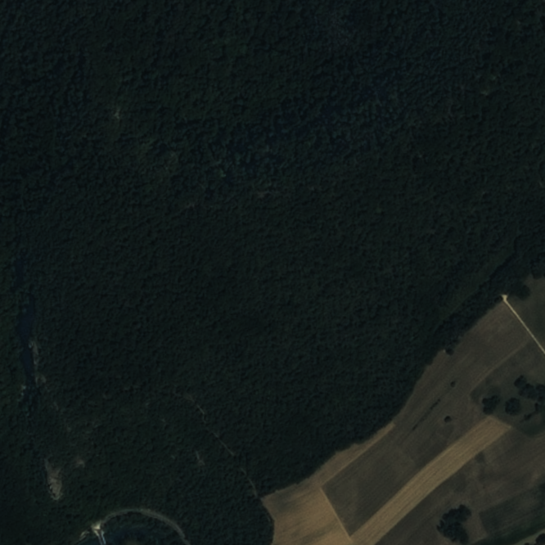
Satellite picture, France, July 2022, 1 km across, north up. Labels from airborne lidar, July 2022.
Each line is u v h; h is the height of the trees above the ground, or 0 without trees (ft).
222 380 41
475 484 0
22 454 33
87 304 58
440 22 29
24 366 23
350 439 57
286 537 0
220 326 78
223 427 43
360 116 102
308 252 34
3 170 77
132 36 97
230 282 71
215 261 59
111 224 56
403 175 38
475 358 0
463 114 56
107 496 55
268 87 103
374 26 103
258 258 57
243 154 103
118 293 54
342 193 52
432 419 0
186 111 59
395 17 100
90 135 41
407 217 58
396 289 57
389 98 102
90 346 71
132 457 59
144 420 52
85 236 51
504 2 74
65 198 56
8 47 71
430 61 58
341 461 0
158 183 39
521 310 0
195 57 100
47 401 46
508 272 75
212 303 64
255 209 49
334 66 73
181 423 40
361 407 55
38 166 25
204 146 110
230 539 43
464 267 71
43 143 26
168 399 41
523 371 0
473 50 54
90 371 70
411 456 0
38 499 65
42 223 65
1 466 74
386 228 67
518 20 84
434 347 88
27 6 59
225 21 81
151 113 111
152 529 29
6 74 72
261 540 48
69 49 85
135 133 90
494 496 0
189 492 40
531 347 0
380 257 47
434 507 0
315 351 64
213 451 42
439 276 72
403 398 74
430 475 0
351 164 72
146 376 63
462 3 69
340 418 18
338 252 64
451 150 73
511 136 53
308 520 0
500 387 0
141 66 80
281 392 68
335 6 69
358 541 0
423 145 84
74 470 43
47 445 45
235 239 52
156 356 58
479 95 76
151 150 61
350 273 70
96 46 82
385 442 0
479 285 0
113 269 58
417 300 70
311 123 102
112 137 66
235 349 44
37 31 74
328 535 0
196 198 88
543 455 0
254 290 56
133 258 51
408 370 55
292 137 114
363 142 93
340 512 0
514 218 59
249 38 70
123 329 57
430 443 0
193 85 91
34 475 50
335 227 49
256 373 65
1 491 58
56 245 52
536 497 0
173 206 74
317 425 57
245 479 36
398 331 42
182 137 99
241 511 47
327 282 58
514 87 69
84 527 73
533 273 24
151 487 65
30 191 73
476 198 62
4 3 77
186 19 94
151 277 51
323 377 69
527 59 72
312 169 59
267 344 59
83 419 56
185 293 56
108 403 66
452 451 0
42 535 64
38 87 76
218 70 85
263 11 54
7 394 25
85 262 51
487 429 0
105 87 86
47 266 55
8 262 34
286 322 54
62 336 35
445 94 62
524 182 58
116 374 59
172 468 56
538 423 0
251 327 68
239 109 74
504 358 0
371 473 0
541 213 74
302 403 75
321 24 103
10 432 46
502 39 88
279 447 61
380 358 53
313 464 71
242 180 61
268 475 52
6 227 86
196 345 49
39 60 94
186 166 123
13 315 28
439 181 74
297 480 56
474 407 0
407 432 0
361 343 64
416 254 75
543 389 61
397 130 69
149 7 89
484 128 82
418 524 0
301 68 96
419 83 86
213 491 44
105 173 71
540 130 67
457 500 0
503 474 0
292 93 79
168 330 53
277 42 72
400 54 51
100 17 96
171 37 112
